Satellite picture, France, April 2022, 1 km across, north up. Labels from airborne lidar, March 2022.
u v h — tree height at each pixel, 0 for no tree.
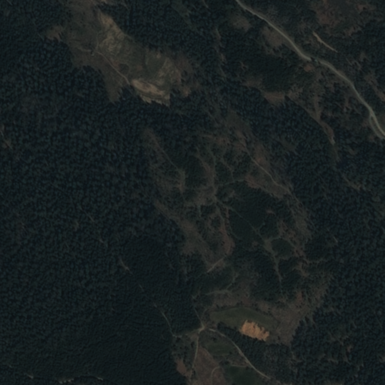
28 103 25
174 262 19
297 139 29
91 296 24
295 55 20
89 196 28
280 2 21
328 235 27
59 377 16
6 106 38
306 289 16
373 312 25
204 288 7
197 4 27
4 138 31
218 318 0
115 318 14
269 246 0
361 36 16
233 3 16
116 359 14
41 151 19
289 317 0
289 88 10
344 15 0
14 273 28
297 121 24
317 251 13
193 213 8
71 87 40
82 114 29
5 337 8
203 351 0
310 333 25
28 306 32
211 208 8
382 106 17
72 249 14
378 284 20
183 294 22
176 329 12
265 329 0
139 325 19
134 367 18
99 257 22
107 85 24
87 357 11
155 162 28
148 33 29
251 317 0
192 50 26
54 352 12
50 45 8
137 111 28
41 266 19
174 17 32
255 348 22
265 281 7
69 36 0
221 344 0
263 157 0
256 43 15
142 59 0
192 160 8
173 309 14
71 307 8
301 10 21
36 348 30
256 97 29
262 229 8
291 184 25
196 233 0
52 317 29
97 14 30
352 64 20
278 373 16
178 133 32
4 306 6
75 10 0
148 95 0
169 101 0
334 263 15
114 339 16
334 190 31
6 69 20
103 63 0
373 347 27
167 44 24
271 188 0
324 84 20
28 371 13
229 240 0
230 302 0
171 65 0
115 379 21
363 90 17
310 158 24
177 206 17
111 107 20
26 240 19
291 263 11
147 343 21
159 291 16
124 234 37
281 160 34
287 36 0
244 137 0
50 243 21
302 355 24
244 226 6
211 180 0
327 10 0
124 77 0
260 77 7
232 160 6
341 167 14
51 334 15
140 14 33
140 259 21
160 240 23
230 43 19
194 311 23
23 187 28
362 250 14
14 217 16
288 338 0
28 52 12
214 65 36
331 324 30
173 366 19
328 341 22
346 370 12
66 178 14
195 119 27
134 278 16
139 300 18
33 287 16
